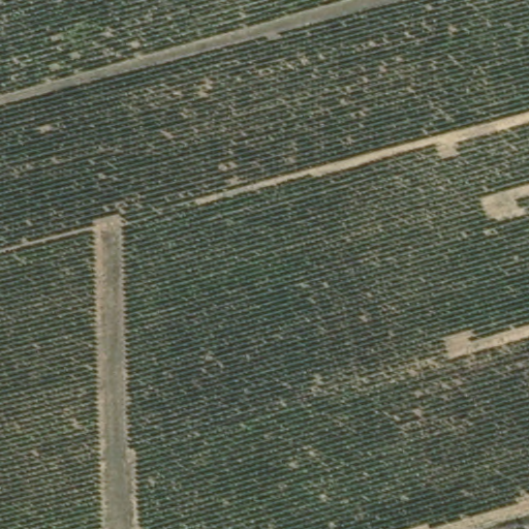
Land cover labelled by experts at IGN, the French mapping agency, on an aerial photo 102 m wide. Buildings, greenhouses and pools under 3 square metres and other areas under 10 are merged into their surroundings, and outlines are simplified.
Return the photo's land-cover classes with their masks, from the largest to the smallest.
<instances>
[{"label":"vineyard","instance_id":"1","mask_svg":"<svg viewBox=\"0 0 529 529\"><path fill-rule=\"evenodd\" d=\"M114 215L122 217L124 225L126 360L130 397L128 434L130 448L136 450V498L141 529H529V0H0V529H99L101 498L97 438L93 223L97 219Z\"/></svg>","mask_w":529,"mask_h":529},{"label":"herbaceous vegetation","instance_id":"2","mask_svg":"<svg viewBox=\"0 0 529 529\"><path fill-rule=\"evenodd\" d=\"M97 438L101 498L99 529H141L136 498V450L130 448L128 434L130 397L126 360L124 225L122 217L114 215L97 219L93 223Z\"/></svg>","mask_w":529,"mask_h":529}]
</instances>
